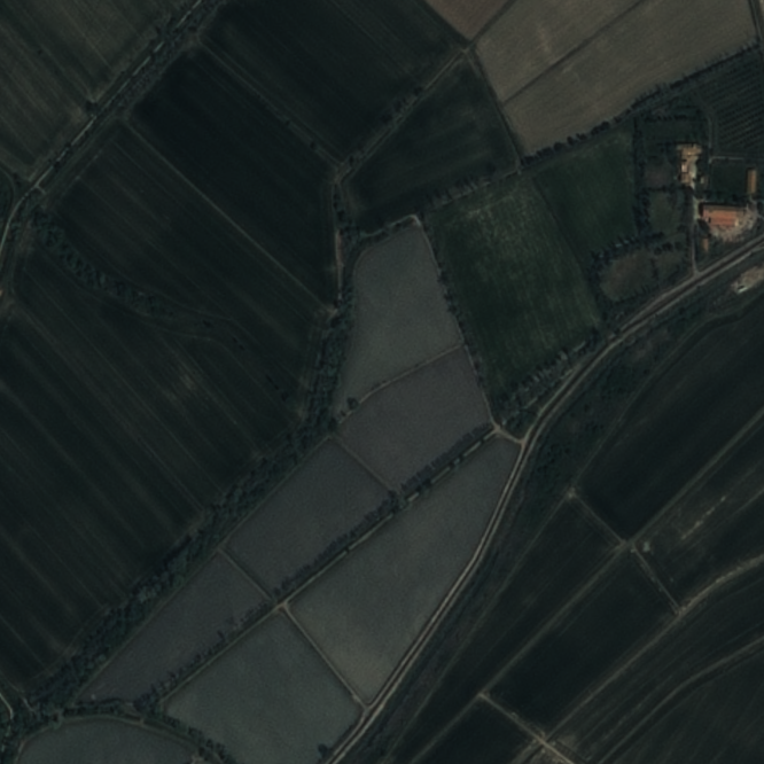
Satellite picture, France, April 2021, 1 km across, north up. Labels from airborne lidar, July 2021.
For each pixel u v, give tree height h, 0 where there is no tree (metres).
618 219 0
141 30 0
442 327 0
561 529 0
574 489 0
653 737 0
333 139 0
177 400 0
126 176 0
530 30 0
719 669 0
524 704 0
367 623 0
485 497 0
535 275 0
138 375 0
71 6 0
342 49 0
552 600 0
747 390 0
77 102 0
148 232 0
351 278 7
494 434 0
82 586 0
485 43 0
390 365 0
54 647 0
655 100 16
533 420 12
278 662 0
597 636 0
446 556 0
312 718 0
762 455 0
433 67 0
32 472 0
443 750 0
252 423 0
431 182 0
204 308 0
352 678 0
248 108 0
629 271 0
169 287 0
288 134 0
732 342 0
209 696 0
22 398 0
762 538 0
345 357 6
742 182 0
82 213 0
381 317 0
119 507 0
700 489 0
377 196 0
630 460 0
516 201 0
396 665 0
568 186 0
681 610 0
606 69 0
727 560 0
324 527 0
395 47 0
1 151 0
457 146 0
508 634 0
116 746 0
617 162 0
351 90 0
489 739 0
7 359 0
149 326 0
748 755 0
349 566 0
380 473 0
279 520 0
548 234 0
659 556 0
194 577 0
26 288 0
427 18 0
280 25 0
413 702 0
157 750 0
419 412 0
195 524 0
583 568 0
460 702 0
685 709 0
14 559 0
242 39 0
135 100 16
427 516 0
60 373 0
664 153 6
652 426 0
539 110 0
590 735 0
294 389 0
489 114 0
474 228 0
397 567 0
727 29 0
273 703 0
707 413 0
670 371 0
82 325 0
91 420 0
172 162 0
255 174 0
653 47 0
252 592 0
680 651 0
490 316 0
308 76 0
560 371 11
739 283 0
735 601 0
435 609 0
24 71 0
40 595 0
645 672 0
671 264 0
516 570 0
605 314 7
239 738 0
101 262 0
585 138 11
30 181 0
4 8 0
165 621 0
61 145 0
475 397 0
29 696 14
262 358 0
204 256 0
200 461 0
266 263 0
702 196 6
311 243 0
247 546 0
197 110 0
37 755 0
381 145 0
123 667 0
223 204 0
